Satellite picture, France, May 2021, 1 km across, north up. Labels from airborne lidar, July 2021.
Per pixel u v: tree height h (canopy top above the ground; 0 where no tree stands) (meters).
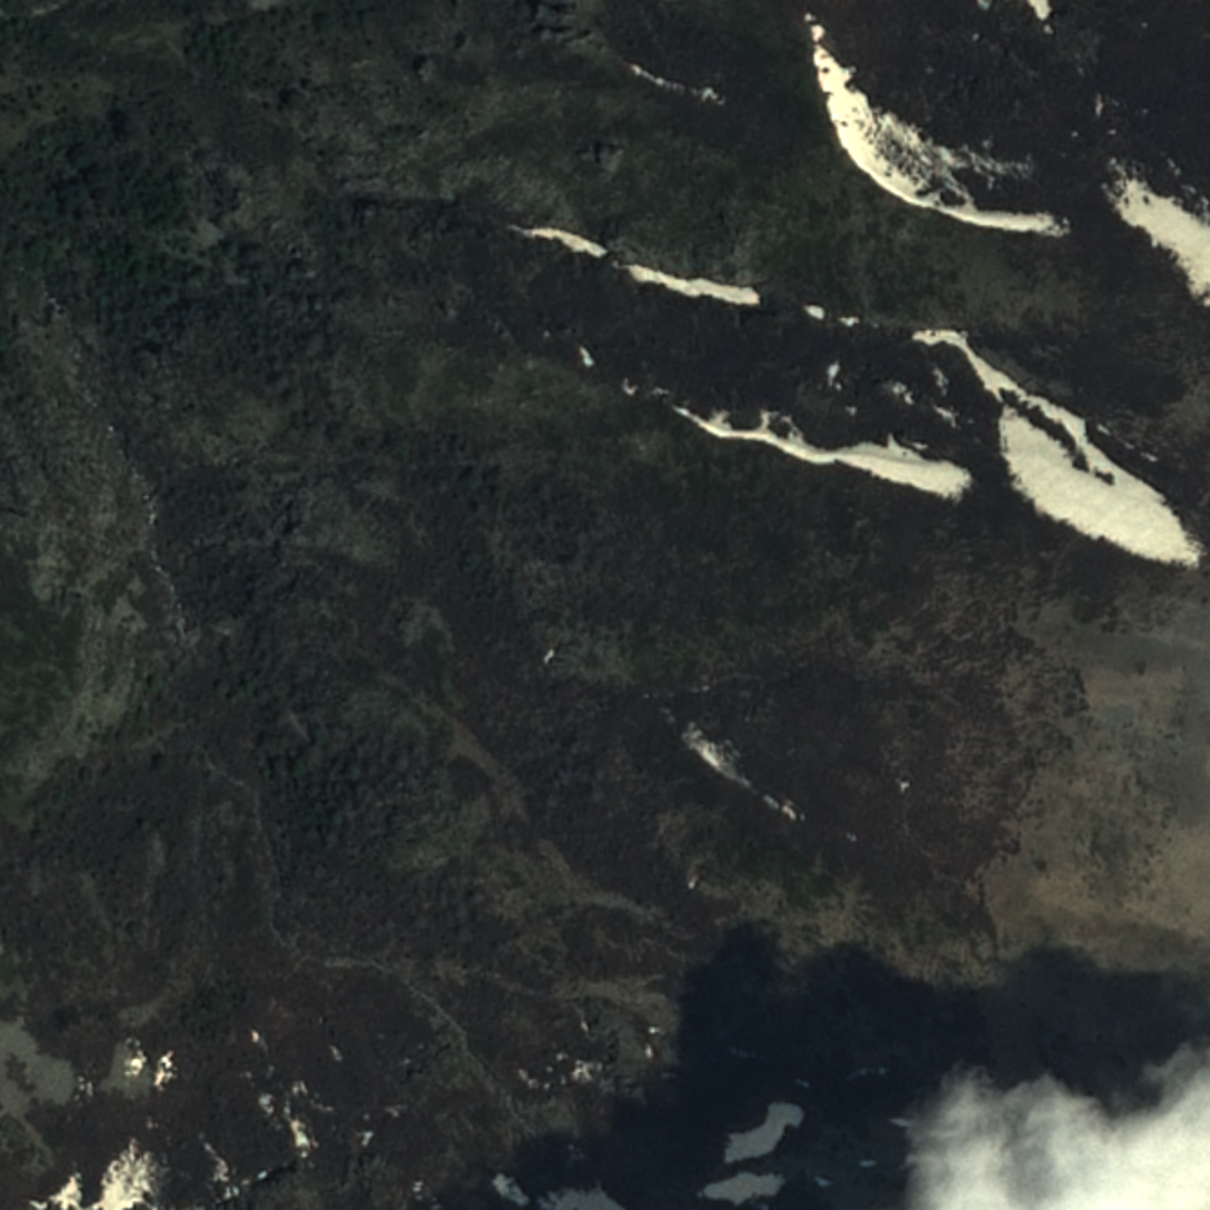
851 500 0
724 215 0
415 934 7
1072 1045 0
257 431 0
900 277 0
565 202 0
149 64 7
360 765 6
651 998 0
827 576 0
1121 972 0
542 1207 0
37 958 6
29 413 10
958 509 0
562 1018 10
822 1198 0
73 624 0
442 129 0
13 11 10
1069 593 0
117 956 7
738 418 0
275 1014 0
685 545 0
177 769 7
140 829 9
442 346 0
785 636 0
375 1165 0
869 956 0
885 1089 0
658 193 0
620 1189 0
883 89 8
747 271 0
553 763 9
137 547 8
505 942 9
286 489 0
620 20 7
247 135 6
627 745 6
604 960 7
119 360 10
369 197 6
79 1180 7
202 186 0
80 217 17
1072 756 0
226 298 8
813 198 0
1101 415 0
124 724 7
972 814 0
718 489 0
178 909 6
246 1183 0
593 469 0
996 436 0
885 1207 0
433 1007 0
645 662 0
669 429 0
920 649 0
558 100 0
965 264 0
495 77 0
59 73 9
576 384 0
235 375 10
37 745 0
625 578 7
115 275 12
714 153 0
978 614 0
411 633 0
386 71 0
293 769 18
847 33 6
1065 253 0
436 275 6
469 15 0
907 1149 0
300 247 0
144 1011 0
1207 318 0
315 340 20
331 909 7
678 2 0
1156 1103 0
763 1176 0
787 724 0
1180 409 0
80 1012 6
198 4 7
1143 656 0
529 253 8
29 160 9
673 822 0
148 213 9
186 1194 8
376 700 0
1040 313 0
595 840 7
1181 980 0
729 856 0
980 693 0
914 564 0
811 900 0
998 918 0
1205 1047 0
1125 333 0
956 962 0
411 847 0
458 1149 0
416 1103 0
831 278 0
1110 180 0
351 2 10
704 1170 0
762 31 0
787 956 0
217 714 10
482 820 0
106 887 6
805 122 0
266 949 7
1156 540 0
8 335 16
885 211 0
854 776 0
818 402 0
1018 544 0
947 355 0
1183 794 0
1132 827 0
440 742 0
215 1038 9
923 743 0
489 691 8
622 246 0
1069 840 0
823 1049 0
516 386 0
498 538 0
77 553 7
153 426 8
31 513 0
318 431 19
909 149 6
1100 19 6
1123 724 0
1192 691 0
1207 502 0
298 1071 7
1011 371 0
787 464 0
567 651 0
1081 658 0
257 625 7
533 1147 0
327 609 0
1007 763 0
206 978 0
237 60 8
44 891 0
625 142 0
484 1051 0
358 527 0
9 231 13
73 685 0
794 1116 0
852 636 0
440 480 14
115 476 8
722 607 0
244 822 0
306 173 0
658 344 8
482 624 8
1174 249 0
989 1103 0
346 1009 6
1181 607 0
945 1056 0
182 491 9
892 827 0
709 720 0
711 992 7
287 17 11
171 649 0
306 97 8
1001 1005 0
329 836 14
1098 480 0
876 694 0
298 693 14
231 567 14
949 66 6
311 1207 0
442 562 9
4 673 0
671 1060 0
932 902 0
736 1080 0
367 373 0
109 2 11
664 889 7
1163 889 0
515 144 0
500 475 12
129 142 24
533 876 0
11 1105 0
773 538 0
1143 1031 0
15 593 0
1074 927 0
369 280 7
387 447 11
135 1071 0
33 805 9
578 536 12
